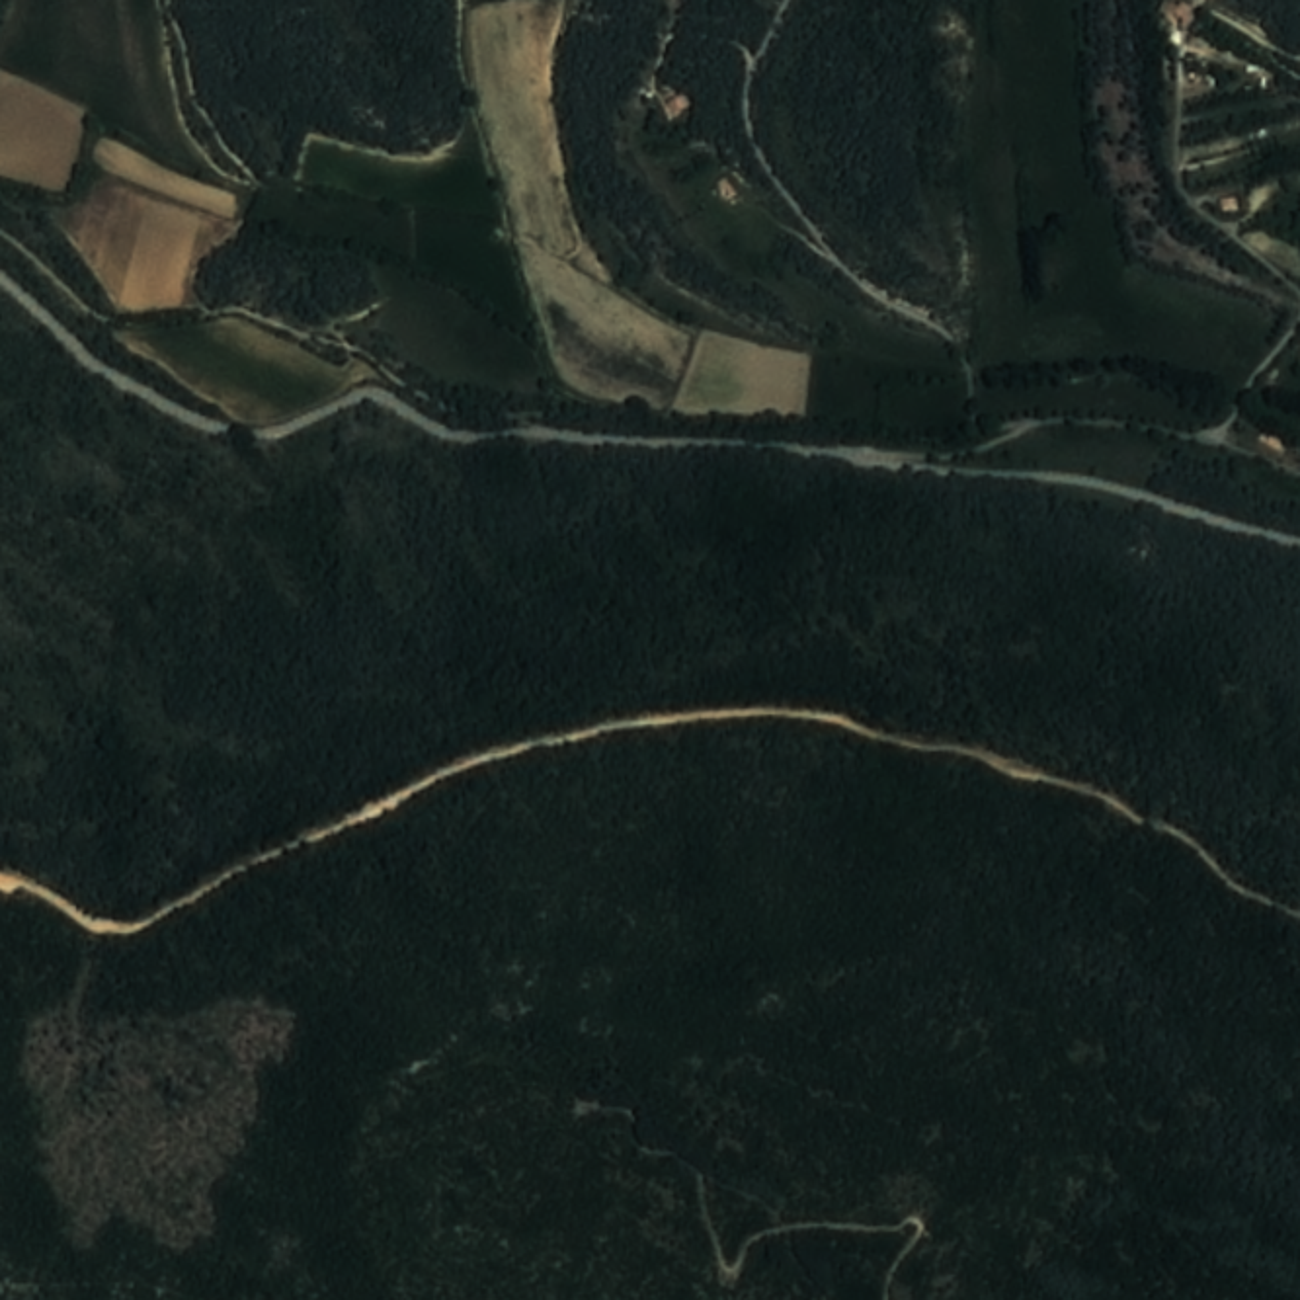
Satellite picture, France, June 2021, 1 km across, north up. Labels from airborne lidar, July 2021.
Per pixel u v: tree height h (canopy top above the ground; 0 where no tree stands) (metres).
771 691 8
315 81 6
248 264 8
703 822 7
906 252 6
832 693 8
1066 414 7
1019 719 10
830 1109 6
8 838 9
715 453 16
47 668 6
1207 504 11
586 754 9
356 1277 6
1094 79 13
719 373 0
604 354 0
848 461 9
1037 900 11
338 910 8
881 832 10
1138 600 10
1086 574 11
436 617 8
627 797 6
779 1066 6
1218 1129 7
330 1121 7
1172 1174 8
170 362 0
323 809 7
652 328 0
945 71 6
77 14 0
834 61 8
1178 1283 5
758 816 7
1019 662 7
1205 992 7
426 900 8
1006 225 0
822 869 6
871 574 6
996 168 0
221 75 8
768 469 15
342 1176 6
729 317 0
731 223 0
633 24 8
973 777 6
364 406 7
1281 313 7
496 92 0
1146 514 9
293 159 10
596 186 9
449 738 7
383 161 0
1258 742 8
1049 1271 10
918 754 7
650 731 7
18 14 0
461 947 6
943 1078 7
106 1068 11
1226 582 11
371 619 6
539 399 8
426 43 9
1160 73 9
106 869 12
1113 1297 8
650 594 7
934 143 8
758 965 7
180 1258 6
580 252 0
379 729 6
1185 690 9
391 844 6
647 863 6
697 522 12
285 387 0
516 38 0
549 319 0
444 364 0
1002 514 10
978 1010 7
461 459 5
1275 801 6
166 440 8
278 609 7
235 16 11
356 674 6
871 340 0
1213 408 30
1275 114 9
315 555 7
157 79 0
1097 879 9
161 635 6
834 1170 6
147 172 0
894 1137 6
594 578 7
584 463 9
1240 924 6
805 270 6
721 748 5
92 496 6
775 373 0
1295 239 9
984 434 11
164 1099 6
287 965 6
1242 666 9
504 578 8
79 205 0
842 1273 9
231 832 9
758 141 7
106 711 7
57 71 0
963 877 7
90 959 7
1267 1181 9
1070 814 6
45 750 11
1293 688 9
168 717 7
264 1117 6
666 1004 6
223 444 9
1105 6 13
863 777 8
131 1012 6
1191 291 0
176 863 8
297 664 13
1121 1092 6
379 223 0
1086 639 9
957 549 7
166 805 7
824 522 6
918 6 9
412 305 0
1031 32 0
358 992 6
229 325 0
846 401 0
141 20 0
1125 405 0
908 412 0
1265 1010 7
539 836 5
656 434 11
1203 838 8
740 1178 9
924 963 7
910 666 9
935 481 11
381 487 7
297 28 8
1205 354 0
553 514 9
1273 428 16
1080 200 0
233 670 8
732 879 6
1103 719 10
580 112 9
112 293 0
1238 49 8
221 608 6
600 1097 10
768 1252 9
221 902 8
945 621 7
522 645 14
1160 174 10
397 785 7
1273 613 10
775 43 6
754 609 6
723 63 7
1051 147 0
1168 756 7
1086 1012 8
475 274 0
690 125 8
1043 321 0
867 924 6
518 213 0
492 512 10
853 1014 7
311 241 9
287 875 9
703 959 6
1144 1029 9
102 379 9
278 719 10
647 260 5
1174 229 10
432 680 6
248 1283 7
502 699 9
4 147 0
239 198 0
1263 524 11
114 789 15
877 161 10
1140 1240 8
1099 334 0
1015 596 8
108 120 0
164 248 0
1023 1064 6
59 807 8
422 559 9
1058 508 10
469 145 0
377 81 6
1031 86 0
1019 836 7
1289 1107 7
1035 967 9
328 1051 8
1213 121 6
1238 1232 10
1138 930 6
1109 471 0
